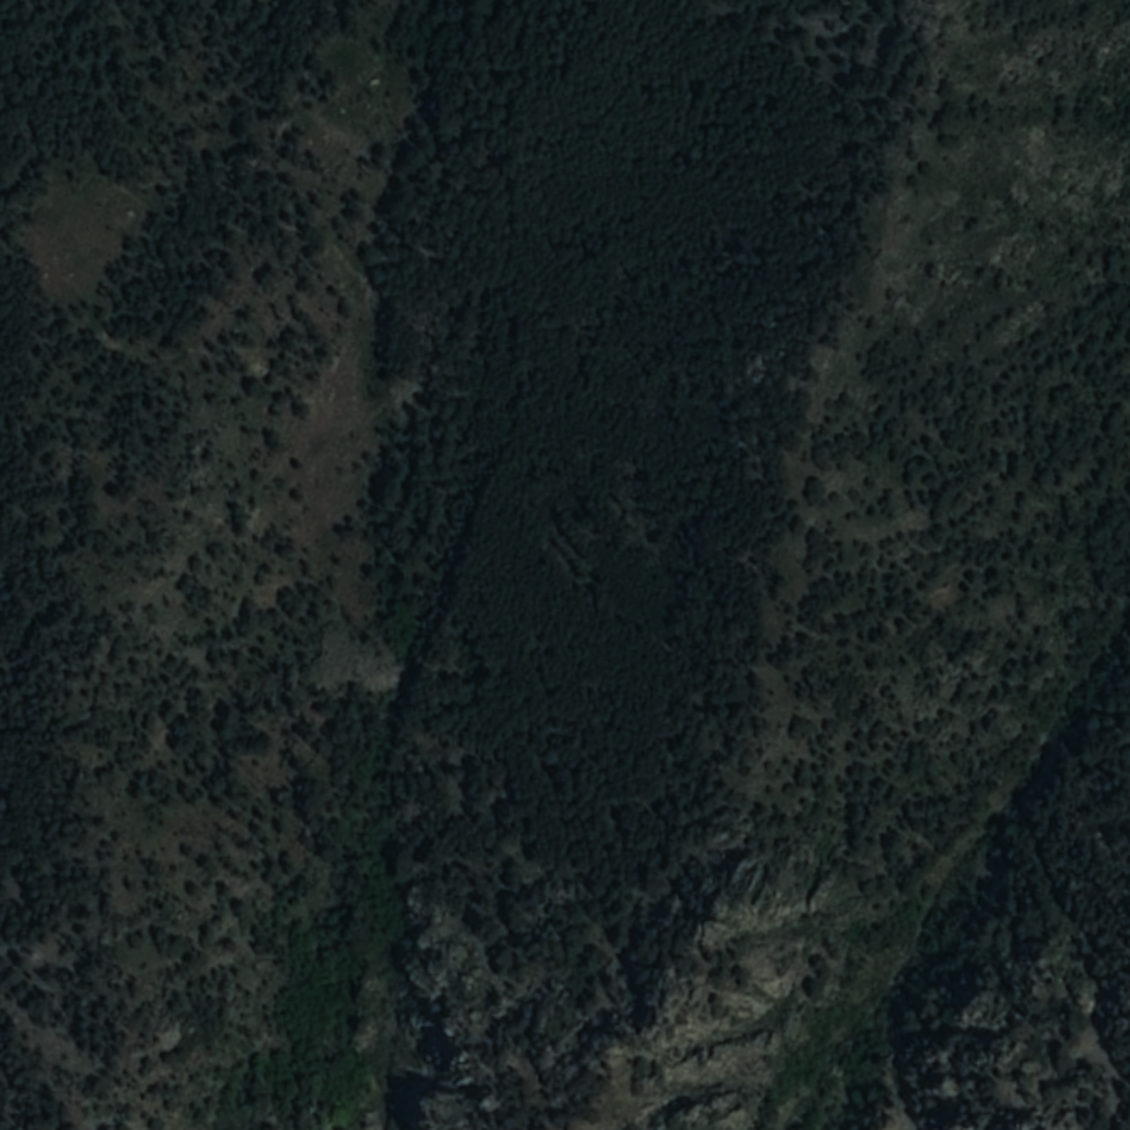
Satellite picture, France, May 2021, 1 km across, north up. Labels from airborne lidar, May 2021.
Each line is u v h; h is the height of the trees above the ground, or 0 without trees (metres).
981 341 16
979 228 25
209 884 11
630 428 20
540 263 30
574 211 27
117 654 18
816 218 23
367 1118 6
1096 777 23
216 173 32
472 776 25
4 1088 20
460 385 26
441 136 29
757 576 17
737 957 24
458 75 21
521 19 26
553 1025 8
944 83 13
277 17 29
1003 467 24
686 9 32
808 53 11
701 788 17
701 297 14
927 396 27
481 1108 10
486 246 37
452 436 26
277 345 20
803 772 24
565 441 30
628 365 21
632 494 26
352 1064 11
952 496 27
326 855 30
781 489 21
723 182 26
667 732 25
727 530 22
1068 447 32
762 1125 16
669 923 12
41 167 27
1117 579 24
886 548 15
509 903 25
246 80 28
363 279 0
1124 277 26
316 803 45
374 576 27
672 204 24
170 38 27
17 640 19
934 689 16
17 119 23
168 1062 21
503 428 24
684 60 26
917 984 14
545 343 29
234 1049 9
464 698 33
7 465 12
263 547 9
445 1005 19
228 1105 14
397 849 22
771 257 22
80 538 17
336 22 29
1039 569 18
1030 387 16
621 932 26
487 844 28
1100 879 32
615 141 27
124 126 23
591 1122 8
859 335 0
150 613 13
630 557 26
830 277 21
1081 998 9
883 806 40
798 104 26
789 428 16
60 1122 13
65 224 0
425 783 29
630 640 26
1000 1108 12
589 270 28
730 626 24
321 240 26
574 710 29
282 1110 15
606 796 21
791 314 13
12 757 24
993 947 18
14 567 14
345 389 0
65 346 19
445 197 26
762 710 20
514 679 30
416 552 33
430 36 19
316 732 33
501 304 23
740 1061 0
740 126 27
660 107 26
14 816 22
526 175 33
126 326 22
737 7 25
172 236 27
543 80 31
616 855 27
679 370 19
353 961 15
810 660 21
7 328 18
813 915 6
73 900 15
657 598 7
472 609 34
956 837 14
